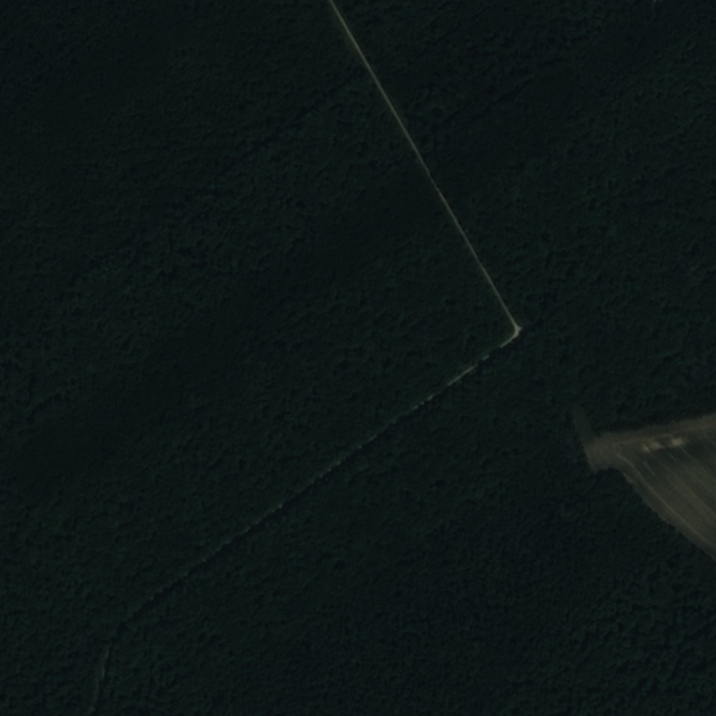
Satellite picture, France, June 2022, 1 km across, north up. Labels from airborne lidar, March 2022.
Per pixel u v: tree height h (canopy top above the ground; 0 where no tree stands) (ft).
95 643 55
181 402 63
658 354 61
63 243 40
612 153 64
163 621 78
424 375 79
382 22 71
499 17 30
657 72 54
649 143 64
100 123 34
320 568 66
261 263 77
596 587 38
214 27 37
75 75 44
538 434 66
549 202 68
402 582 53
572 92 62
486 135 68
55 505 57
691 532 0
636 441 0
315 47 39
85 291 61
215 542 70
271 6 20
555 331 62
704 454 0
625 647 68
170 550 66
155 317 62
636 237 61
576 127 64
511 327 41
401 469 67
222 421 72
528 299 48
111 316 70
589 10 63
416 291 67
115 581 64
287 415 63
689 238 67
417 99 29
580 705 53
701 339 66
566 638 40
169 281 91
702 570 70
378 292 68
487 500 62
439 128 67
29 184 42
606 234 67
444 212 55
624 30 54
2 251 26
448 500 68
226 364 63
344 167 65
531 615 50
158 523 60
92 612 87
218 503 63
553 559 62
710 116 58
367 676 52
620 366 57
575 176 69
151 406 59
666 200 65
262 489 59
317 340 65
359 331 64
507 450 60
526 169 64
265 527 56
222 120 27
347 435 58
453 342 76
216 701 60
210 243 67
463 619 63
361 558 69
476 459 62
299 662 58
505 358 63
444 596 65
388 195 63
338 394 59
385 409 70
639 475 0
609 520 42
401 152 60
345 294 60
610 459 0
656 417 52
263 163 69
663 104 55
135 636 65
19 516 65
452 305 71
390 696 59
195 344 68
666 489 0
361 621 73
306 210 67
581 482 62
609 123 66
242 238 69
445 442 60
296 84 23
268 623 59
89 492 62
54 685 57
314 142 80
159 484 63
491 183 63
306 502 64
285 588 60
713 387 54
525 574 64
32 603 61
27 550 68
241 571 55
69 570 54
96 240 32
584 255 59
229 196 70
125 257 65
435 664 72
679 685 59
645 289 66
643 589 69
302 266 63
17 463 58
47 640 66
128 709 64
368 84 63
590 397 59
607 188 53
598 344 70
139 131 27
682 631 44
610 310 51
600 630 63
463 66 67
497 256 72
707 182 63
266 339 85
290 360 68
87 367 69
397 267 54
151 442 65
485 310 61
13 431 73
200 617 55
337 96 69
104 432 65
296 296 74
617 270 66
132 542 50
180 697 83
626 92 59
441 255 62
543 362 57
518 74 70
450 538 64
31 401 68
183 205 49
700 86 57
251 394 57
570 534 69
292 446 63
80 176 27
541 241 72
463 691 63
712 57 55
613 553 41
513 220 54
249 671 60
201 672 67
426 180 59
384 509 66
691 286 57
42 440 57
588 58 52
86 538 55
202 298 63
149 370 66
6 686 80
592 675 66
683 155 63
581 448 40
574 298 63
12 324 51
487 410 72
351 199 66
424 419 70
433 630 73
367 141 64
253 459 59
